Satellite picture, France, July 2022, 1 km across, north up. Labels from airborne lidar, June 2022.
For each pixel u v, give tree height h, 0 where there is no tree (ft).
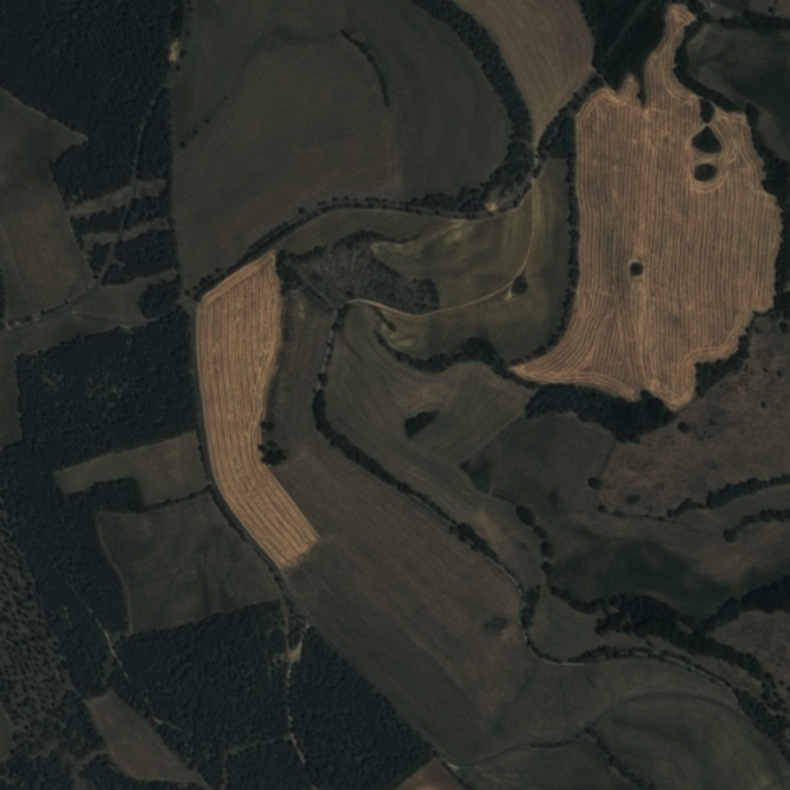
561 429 0
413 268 0
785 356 0
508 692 0
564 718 0
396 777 39
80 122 34
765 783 0
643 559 0
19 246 0
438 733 0
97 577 53
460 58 0
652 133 0
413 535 0
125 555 0
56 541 42
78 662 35
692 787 0
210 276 23
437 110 0
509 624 0
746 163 0
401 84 0
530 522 57
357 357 0
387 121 0
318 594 0
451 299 0
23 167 0
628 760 0
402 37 0
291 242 0
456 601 0
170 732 26
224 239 0
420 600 0
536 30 0
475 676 0
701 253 0
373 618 0
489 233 0
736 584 0
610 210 0
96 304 0
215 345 0
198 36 0
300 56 0
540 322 0
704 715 0
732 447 0
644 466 0
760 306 0
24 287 0
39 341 0
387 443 0
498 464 0
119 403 30
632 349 0
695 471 0
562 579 0
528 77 0
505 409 0
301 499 0
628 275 0
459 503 0
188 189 0
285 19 0
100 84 35
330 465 0
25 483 44
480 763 0
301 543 0
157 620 0
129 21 53
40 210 0
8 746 0
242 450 0
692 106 0
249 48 0
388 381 0
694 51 0
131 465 0
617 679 0
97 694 35
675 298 0
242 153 0
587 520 0
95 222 38
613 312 0
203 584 0
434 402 0
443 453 0
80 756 27
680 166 0
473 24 43
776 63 0
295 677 27
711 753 0
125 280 29
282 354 0
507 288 0
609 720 0
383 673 0
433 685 0
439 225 0
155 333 41
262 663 21
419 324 0
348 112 0
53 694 39
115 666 26
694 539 0
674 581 0
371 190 0
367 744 58
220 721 31
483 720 0
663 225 0
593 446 0
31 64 45
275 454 41
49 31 49
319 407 47
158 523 0
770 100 0
